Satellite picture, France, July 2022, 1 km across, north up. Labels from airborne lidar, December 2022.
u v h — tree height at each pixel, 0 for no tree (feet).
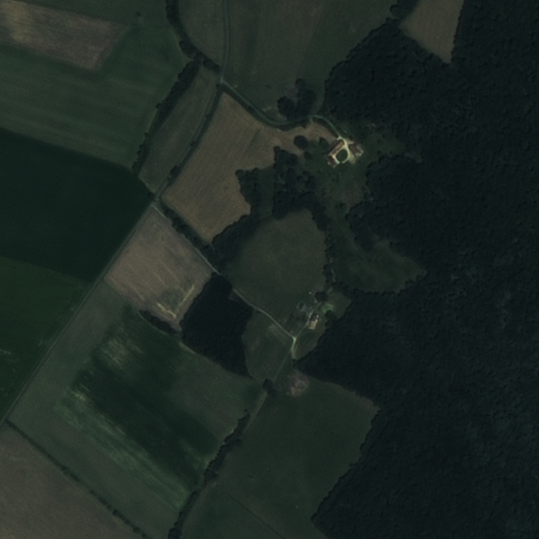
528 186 72
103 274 0
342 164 24
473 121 57
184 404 0
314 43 0
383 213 58
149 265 0
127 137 0
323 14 0
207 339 53
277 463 0
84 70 0
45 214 0
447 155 75
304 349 0
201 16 0
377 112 73
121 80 0
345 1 0
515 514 49
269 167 0
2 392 0
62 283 0
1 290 0
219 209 0
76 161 0
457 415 59
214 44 0
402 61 86
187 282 0
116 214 0
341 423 0
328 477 0
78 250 0
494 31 74
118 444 0
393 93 87
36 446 18
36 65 0
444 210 81
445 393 50
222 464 45
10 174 0
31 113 0
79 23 0
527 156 69
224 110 0
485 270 64
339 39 0
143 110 0
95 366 0
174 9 44
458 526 69
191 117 0
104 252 0
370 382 48
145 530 0
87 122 0
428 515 52
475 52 69
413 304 69
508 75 83
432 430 63
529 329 55
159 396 0
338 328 59
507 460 54
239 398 0
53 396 0
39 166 0
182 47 33
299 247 0
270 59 0
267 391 37
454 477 56
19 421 0
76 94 0
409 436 70
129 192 0
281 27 0
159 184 0
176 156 0
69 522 0
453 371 53
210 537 0
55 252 0
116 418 0
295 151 0
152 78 0
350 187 0
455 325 62
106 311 0
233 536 0
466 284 62
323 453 0
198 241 46
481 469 65
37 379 0
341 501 70
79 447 0
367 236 71
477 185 66
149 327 0
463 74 79
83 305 0
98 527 0
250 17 0
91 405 0
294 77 0
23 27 0
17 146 0
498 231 68
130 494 0
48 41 0
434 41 0
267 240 0
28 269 0
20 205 0
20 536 0
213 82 0
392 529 69
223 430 0
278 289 0
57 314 0
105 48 0
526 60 71
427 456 79
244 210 0
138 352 0
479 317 58
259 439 0
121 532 0
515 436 61
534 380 48
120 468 0
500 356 46
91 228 0
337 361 65
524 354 47
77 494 0
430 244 80
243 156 0
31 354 0
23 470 0
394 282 0
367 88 76
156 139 0
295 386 0
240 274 0
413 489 77
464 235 76
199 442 0
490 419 69
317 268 0
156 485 0
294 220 0
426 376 72
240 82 0
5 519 0
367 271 0
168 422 0
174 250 0
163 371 0
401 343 54
